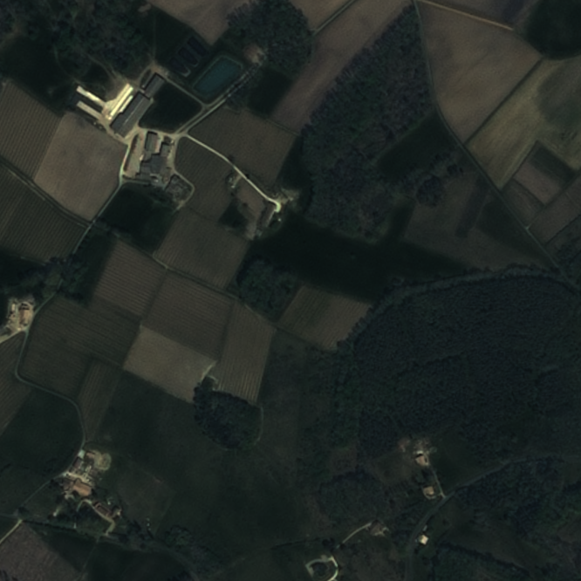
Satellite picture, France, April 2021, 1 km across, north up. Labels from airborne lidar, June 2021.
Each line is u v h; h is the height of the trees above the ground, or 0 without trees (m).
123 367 0
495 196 0
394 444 15
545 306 14
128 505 0
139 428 0
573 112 0
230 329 0
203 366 0
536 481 15
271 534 0
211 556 8
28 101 0
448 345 16
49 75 0
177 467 0
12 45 0
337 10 0
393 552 0
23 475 0
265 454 0
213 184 0
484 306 15
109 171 0
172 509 0
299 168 0
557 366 11
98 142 0
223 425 9
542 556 0
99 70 0
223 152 0
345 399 21
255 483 0
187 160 0
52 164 0
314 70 0
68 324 0
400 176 0
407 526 7
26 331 0
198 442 0
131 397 0
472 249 0
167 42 0
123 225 0
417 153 0
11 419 0
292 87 0
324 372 7
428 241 0
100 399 0
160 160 0
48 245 0
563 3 0
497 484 8
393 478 0
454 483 0
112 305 0
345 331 0
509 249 0
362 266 0
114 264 0
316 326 0
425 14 0
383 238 0
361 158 17
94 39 12
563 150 0
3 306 0
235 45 0
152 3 0
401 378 15
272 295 19
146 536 6
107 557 0
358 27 0
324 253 0
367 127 10
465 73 0
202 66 0
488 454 12
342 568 10
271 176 0
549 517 20
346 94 23
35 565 0
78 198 0
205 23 0
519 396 13
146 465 0
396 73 13
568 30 0
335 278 0
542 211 0
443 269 0
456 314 16
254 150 0
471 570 18
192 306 0
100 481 0
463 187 0
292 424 0
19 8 13
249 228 0
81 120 0
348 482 14
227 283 0
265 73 9
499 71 0
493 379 15
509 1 0
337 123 22
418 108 12
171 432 0
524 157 0
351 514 18
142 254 0
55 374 0
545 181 0
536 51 0
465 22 0
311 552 0
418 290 16
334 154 20
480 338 14
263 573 0
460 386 14
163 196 6
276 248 0
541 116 0
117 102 0
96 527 26
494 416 13
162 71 0
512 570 16
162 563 0
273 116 0
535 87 0
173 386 0
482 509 11
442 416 13
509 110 0
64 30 18
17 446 0
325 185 20
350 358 13
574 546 7
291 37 20
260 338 0
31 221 0
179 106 0
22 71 0
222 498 0
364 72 25
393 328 18
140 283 0
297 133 0
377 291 0
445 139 0
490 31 0
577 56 0
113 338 0
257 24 18
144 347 0
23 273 0
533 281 18
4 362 0
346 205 10
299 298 0
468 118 0
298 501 0
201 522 0
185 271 0
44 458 0
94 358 0
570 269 13
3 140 0
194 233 0
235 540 0
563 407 14
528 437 7
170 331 0
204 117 0
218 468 0
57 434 0
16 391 0
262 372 0
